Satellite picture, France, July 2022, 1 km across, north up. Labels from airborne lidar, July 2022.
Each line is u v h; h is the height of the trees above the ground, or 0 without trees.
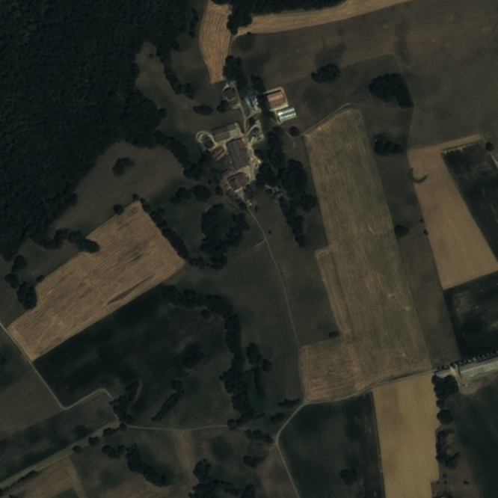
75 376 0
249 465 17
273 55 0
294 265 0
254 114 0
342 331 0
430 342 0
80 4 25
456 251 0
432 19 0
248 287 0
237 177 0
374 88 18
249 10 17
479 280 0
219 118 0
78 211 0
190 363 22
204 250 20
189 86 15
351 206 0
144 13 13
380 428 0
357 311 0
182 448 0
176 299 11
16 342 0
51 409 0
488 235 0
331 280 0
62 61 23
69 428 0
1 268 0
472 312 0
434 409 0
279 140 22
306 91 0
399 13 0
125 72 22
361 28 0
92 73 21
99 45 23
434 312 0
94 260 0
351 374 0
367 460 0
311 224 0
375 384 0
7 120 17
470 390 0
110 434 12
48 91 23
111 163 0
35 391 0
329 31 0
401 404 0
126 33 19
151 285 0
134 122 21
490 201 0
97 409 0
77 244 21
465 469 0
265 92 15
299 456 0
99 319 0
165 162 0
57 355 0
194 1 0
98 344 0
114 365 0
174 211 0
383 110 0
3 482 0
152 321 0
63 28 26
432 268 0
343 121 0
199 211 0
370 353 0
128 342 0
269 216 0
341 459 0
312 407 0
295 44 0
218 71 0
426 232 9
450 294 0
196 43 0
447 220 0
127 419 17
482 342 0
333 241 0
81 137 25
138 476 0
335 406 0
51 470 0
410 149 0
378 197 0
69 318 0
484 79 0
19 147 19
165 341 0
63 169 27
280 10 15
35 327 0
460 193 0
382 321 0
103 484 0
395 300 0
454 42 0
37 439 0
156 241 0
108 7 17
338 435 0
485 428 0
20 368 0
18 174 15
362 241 0
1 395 0
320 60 0
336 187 0
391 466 0
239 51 0
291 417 0
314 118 0
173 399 8
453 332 0
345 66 0
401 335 0
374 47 0
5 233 26
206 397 0
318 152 0
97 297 0
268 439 18
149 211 17
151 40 19
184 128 0
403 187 0
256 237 0
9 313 0
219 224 28
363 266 0
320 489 0
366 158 0
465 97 0
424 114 0
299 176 25
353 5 0
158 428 0
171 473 0
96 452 0
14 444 0
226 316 14
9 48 21
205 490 22
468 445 0
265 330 0
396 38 0
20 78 18
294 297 0
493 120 0
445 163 0
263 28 0
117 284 0
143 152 0
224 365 0
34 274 0
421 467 0
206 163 23
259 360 21
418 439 0
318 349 0
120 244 0
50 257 0
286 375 0
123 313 0
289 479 0
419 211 0
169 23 23
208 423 0
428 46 0
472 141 0
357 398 0
